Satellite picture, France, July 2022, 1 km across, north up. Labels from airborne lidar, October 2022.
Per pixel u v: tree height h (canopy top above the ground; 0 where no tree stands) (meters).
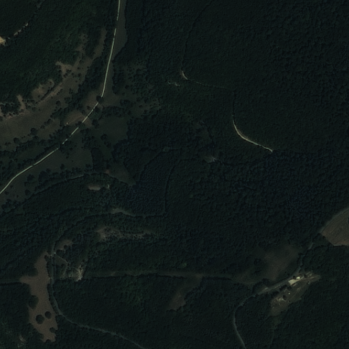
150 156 25
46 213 10
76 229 10
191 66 18
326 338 21
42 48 19
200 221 21
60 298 12
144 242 10
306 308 17
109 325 17
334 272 13
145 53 18
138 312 18
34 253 12
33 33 15
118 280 14
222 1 14
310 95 21
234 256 18
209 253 22
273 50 21
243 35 21
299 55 23
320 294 10
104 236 0
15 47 12
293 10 28
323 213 24
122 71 7
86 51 6
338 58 24
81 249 19
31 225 10
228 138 16
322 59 27
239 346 10
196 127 0
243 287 15
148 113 14
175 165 17
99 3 11
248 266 17
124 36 0
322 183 15
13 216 10
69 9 24
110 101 0
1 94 14
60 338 14
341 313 21
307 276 8
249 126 15
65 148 7
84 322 16
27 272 9
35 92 0
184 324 9
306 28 22
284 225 18
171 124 25
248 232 14
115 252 15
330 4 33
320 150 29
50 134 0
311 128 18
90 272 10
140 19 11
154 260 18
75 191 9
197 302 19
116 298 18
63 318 13
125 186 17
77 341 17
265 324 9
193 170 20
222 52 18
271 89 22
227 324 8
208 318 7
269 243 6
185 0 10
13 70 17
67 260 13
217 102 21
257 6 17
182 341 15
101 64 6
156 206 26
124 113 14
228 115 17
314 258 12
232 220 24
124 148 21
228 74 18
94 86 20
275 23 28
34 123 0
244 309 14
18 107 15
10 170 10
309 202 19
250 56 19
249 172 21
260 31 21
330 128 26
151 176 21
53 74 8
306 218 23
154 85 12
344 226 0
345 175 18
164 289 15
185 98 18
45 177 18
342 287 16
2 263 8
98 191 7
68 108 5
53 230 16
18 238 11
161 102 6
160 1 16
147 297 16
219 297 16
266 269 0
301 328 20
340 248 17
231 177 14
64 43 8
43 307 0
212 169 12
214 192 24
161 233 7
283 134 24
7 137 0
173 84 7
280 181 26
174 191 13
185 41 16
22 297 14
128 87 12
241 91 22
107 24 8
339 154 32
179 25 14
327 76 24
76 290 13
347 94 10
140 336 19
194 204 23
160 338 18
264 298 9
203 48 16
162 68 13
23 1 9
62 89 6
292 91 21
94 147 10
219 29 19
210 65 15
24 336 12
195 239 29
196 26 18
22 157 0
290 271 0
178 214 22
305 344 21
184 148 25
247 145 17
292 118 20
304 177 28
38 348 13
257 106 19
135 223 12
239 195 15
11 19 12
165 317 16
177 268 18
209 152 29
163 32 20
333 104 25
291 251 0
